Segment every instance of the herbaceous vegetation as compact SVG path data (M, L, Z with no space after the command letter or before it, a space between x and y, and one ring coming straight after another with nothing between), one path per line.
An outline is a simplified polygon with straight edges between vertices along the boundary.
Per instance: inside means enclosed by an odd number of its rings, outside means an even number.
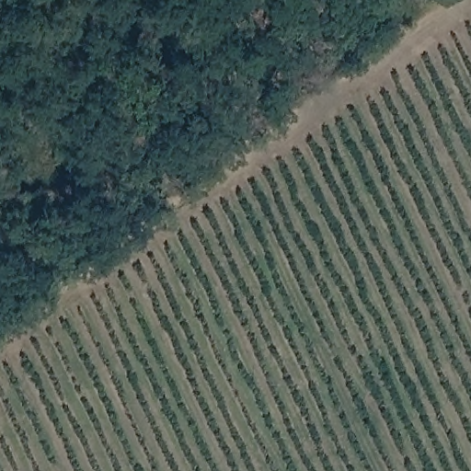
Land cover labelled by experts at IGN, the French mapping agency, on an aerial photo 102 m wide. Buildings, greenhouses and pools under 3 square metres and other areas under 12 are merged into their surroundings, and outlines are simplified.
M53 173L52 182L48 184L35 180L31 184L20 184L22 193L31 193L28 224L52 219L53 210L57 210L61 219L68 217L68 208L75 202L75 191L72 191L72 186L75 180L68 177L68 171L63 166L59 166Z
M248 109L247 114L241 116L241 120L247 121L247 129L252 131L254 136L265 136L269 121L263 118L261 110Z
M333 50L331 42L324 42L320 37L305 44L305 50L313 57L322 57L327 55L327 50Z
M471 381L471 361L465 355L462 340L458 339L453 322L436 293L436 287L408 237L403 219L397 213L392 197L381 180L381 173L373 162L372 153L362 142L361 132L351 118L350 110L359 109L361 112L366 129L372 134L375 147L379 149L388 167L390 180L396 186L397 193L410 215L410 221L418 232L425 254L431 259L432 269L436 270L438 278L442 280L454 311L460 318L462 329L471 342L471 280L458 258L453 239L443 228L431 193L427 190L427 184L421 178L418 167L407 151L403 134L399 132L392 114L386 109L383 96L388 92L390 98L396 96L397 88L403 86L403 90L412 99L419 118L425 125L425 131L429 134L438 162L449 178L453 193L464 212L465 223L471 228L471 0L421 0L418 6L423 15L410 28L405 29L396 46L390 48L390 52L385 53L381 61L370 64L366 72L344 77L337 68L329 72L320 72L313 66L309 72L311 79L305 79L300 90L304 103L300 107L294 107L296 121L287 123L287 134L281 136L281 140L269 140L267 144L259 145L256 151L247 153L245 166L235 171L224 169L224 180L213 186L208 197L201 197L188 204L184 197L180 197L186 191L184 184L178 178L162 178L162 191L156 193L153 199L173 206L182 230L178 230L178 234L156 232L140 252L132 252L127 261L116 263L107 276L92 283L66 281L66 285L59 289L57 309L52 315L40 320L37 326L31 327L20 337L15 337L13 342L4 344L4 348L0 350L0 471L33 471L31 460L26 458L20 436L4 407L4 399L7 399L7 392L11 390L9 379L4 372L4 368L9 364L20 381L24 396L28 399L29 405L37 410L37 416L44 427L44 431L37 434L31 419L26 414L17 414L18 423L28 436L29 451L39 464L40 471L74 471L64 451L63 440L59 438L44 403L40 401L37 386L20 364L26 357L35 364L46 388L46 396L50 397L55 405L57 418L63 423L64 432L74 447L83 471L94 471L86 458L83 443L77 438L72 423L66 418L63 405L70 407L72 416L81 425L90 451L94 453L101 471L114 471L109 454L99 442L94 423L88 418L81 403L81 397L86 397L90 407L94 408L103 434L114 454L118 456L121 471L134 471L132 465L129 465L127 454L123 451L123 445L112 431L107 408L99 399L98 390L94 388L92 379L88 377L83 359L79 357L74 342L63 329L66 320L72 322L75 331L83 340L86 353L96 366L99 379L112 399L114 410L118 412L121 427L131 442L132 453L138 458L144 471L151 471L151 464L144 454L142 445L134 436L127 414L132 414L136 419L136 425L144 434L147 447L155 456L160 471L171 471L127 379L127 372L110 340L107 327L103 324L96 305L92 304L92 298L96 296L109 316L112 329L120 340L121 350L127 353L127 359L131 362L132 372L138 377L145 401L151 408L156 425L166 440L167 449L173 454L180 471L191 471L190 462L178 447L175 432L171 429L166 416L162 414L160 401L153 394L153 386L144 372L144 366L136 361L127 337L121 331L116 316L118 305L121 305L121 311L132 335L142 331L132 311L129 302L131 298L136 298L142 304L153 337L167 361L167 368L177 381L182 401L197 421L202 438L208 443L208 449L219 471L232 471L230 465L226 464L223 451L195 399L186 372L175 355L173 342L156 316L151 298L147 294L147 287L138 278L136 270L132 269L134 261L142 263L151 289L158 296L164 315L169 318L169 324L178 335L182 351L188 357L191 370L199 383L199 390L223 432L224 442L234 454L239 471L248 471L234 438L230 436L230 431L226 427L223 414L217 407L212 390L202 375L195 351L191 350L186 333L178 324L175 313L167 302L166 293L156 278L155 269L149 261L153 256L162 265L167 283L180 305L180 313L190 324L193 339L206 359L208 372L212 373L215 385L223 394L235 431L247 445L250 462L256 471L287 471L287 465L281 460L278 443L274 442L274 438L265 429L263 414L267 412L270 412L272 423L276 431L280 432L281 440L293 456L298 471L307 471L283 425L280 408L270 394L267 379L261 372L247 331L235 315L232 302L228 300L228 294L213 269L212 261L204 252L199 235L191 228L191 224L197 223L201 224L204 234L208 235L213 254L219 259L224 274L232 285L232 291L247 316L248 324L252 326L252 333L256 335L261 353L270 366L272 383L278 388L289 412L291 427L298 434L304 451L315 465L316 471L324 471L320 458L316 456L315 443L307 431L305 418L300 414L300 407L294 403L293 396L281 377L280 366L270 355L267 340L263 339L259 331L258 322L252 309L248 307L247 298L241 293L230 265L224 258L223 250L219 247L215 232L208 219L204 217L204 213L210 212L213 212L221 226L221 232L234 256L237 269L241 272L243 280L247 281L250 293L254 294L254 302L258 304L259 313L263 316L263 324L269 329L272 344L280 353L294 385L304 396L311 421L315 423L316 432L322 442L322 451L327 454L329 464L333 465L335 471L348 471L344 462L337 456L337 449L333 447L331 438L324 431L315 397L309 390L307 379L294 357L289 340L285 339L283 327L280 326L280 322L274 320L269 302L261 293L258 276L235 241L232 221L221 208L223 202L228 201L228 204L232 204L237 201L237 193L252 190L250 182L256 182L256 178L269 171L278 184L281 201L289 212L294 230L302 237L305 247L313 256L318 274L327 283L327 289L339 309L342 324L348 329L351 344L357 351L361 351L362 361L366 362L368 370L372 372L373 381L383 394L385 408L390 410L396 429L403 438L405 449L397 451L386 419L377 407L377 401L373 399L370 388L362 379L357 359L350 355L342 361L344 368L351 375L353 386L364 399L364 405L370 412L370 419L381 434L386 453L392 458L396 471L423 471L414 443L397 414L396 405L390 397L377 364L368 353L361 329L350 315L344 296L329 276L313 237L307 232L300 213L294 208L287 184L280 173L281 169L287 167L296 182L300 201L304 202L309 217L318 224L331 261L335 269L339 270L344 283L348 285L351 298L372 333L375 350L385 357L405 412L418 432L419 440L423 443L436 471L443 471L438 454L419 421L418 412L412 407L410 396L399 379L394 359L381 339L381 333L375 326L372 315L362 304L350 265L342 256L335 235L329 230L324 215L320 213L318 204L307 188L302 169L294 162L294 156L300 153L311 167L313 177L322 190L329 210L339 221L344 239L353 256L357 258L368 296L385 320L388 333L399 353L399 359L418 390L419 401L425 407L432 429L442 443L447 462L453 471L460 471L454 460L447 434L436 419L431 401L414 370L414 364L408 359L407 351L401 344L401 337L407 337L412 342L419 362L431 381L432 390L442 405L443 416L456 434L458 449L471 469L471 443L467 442L462 421L438 381L434 364L427 355L425 342L421 340L416 322L408 313L407 305L403 304L403 298L397 293L390 272L386 270L368 230L364 228L355 204L351 202L346 184L342 182L339 169L331 158L326 138L333 134L337 151L346 166L346 171L350 173L355 191L368 212L370 221L377 228L379 241L383 243L388 258L392 259L397 276L407 287L412 302L421 311L421 316L431 333L434 350L442 364L443 373L453 386L454 392L460 397L465 416L471 421L471 399L465 392L460 375L454 372L451 366L449 353L443 346L440 331L431 318L429 307L416 291L416 283L410 278L410 272L403 265L403 259L399 258L396 247L392 245L385 219L375 206L372 195L364 188L361 173L353 156L346 149L346 145L342 144L337 121L346 123L351 140L361 151L373 184L385 201L386 210L396 224L397 234L401 237L412 263L416 265L425 289L431 294L434 307L453 342L456 357L462 362ZM401 162L405 164L410 177L414 178L418 190L421 191L432 224L442 239L449 259L458 270L460 285L454 283L451 272L443 265L442 256L425 226L425 221L419 215L418 206L408 190L407 182L399 175L385 140L379 132L377 121L370 112L370 103L377 103L386 129L390 132L397 153L401 156ZM394 320L386 311L385 302L379 294L372 272L368 269L368 263L362 256L361 248L357 247L351 235L348 221L340 212L337 199L333 191L329 190L326 178L322 175L320 164L311 147L307 145L311 140L315 140L316 144L322 147L327 167L339 186L351 217L359 228L359 234L362 235L366 248L370 250L373 261L381 270L381 276L394 302L397 315L401 316L407 329L407 333L401 337L397 333ZM188 237L202 270L212 281L213 291L217 294L224 316L223 326L215 324L208 294L197 278L195 269L191 267L190 258L180 245L180 239L184 237ZM237 340L239 359L245 364L248 372L254 375L261 396L267 403L267 408L261 412L256 405L254 394L245 385L230 359L223 335L226 327L230 327L234 339ZM37 342L61 383L63 397L57 396L52 379L33 348L33 344ZM101 342L109 353L110 362L114 364L114 370L120 377L125 396L118 396L109 370L99 357L96 342Z
M22 243L13 245L7 239L6 243L0 243L0 254L18 254L24 259L28 258L29 252Z
M75 46L75 50L68 53L70 74L79 74L88 66L88 52Z
M368 432L359 443L370 460L370 465L377 471L388 471Z

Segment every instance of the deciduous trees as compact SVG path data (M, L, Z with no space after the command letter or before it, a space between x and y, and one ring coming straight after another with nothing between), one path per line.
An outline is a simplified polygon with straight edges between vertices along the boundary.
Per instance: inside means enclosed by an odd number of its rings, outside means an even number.
M436 293L453 322L458 339L462 340L465 355L471 361L471 342L462 329L460 318L454 311L442 280L438 278L436 270L432 269L431 259L425 254L418 232L410 221L410 215L397 193L396 186L390 180L388 167L379 149L375 147L372 134L366 129L361 112L359 109L350 110L351 118L361 132L362 142L372 153L373 162L381 173L381 180L392 197L397 213L403 219L408 237L436 287Z
M252 326L248 324L247 316L232 291L232 285L224 274L219 259L213 254L208 235L204 234L201 224L197 223L191 224L191 228L199 235L204 252L212 261L213 269L228 294L228 300L232 302L235 315L247 331L261 372L267 379L270 394L280 408L283 425L307 471L316 471L315 465L304 451L298 434L291 427L289 412L278 388L272 383L270 366L261 353L256 335L252 333Z
M302 169L307 188L318 204L320 213L324 215L329 230L335 235L342 256L350 265L362 304L372 315L375 326L381 333L381 339L394 359L399 379L410 396L412 407L418 412L419 421L438 454L443 471L453 471L447 462L442 443L432 429L425 407L419 401L418 390L399 359L399 353L388 333L385 320L368 296L357 258L353 256L344 239L339 221L329 210L322 190L313 177L311 167L300 153L294 156L294 162Z
M335 269L331 261L318 224L309 217L304 202L300 201L296 182L287 167L281 169L280 173L287 184L294 208L300 213L307 232L313 237L329 276L344 296L350 315L361 329L368 353L377 364L390 397L396 405L397 414L414 443L423 471L436 471L423 443L419 440L418 432L405 412L385 357L375 350L372 333L351 298L348 285L344 283L339 270Z
M57 396L63 397L61 383L37 342L33 344L33 348L52 379Z
M429 134L425 131L425 125L419 118L412 99L403 90L403 86L397 88L396 96L390 98L388 92L383 96L386 109L392 114L399 132L403 134L407 151L418 167L421 178L427 184L427 190L431 193L443 228L453 239L458 258L471 280L471 228L465 223L464 212L453 193L449 178L438 162Z
M281 440L280 432L276 431L272 423L270 412L267 412L263 414L265 429L274 438L274 442L278 443L281 460L287 465L287 471L298 471L293 456Z
M136 270L138 278L147 287L147 294L151 298L156 316L173 342L175 355L186 372L195 399L223 451L226 464L230 465L232 471L239 471L234 454L224 442L223 432L199 390L199 383L191 370L188 357L182 351L178 335L169 324L169 318L164 315L158 296L151 289L142 263L134 261L132 269Z
M392 245L396 247L399 258L403 259L403 265L410 272L410 278L416 283L416 291L429 307L431 318L440 331L443 346L449 353L451 366L454 372L460 375L465 392L471 399L471 381L462 362L456 357L453 342L434 307L431 294L425 289L416 265L412 263L401 237L397 234L396 224L386 210L385 201L373 184L361 151L351 140L346 123L337 121L342 144L346 145L346 149L353 156L361 173L364 188L372 195L375 206L385 219Z
M66 285L66 281L92 283L107 276L116 263L127 261L132 252L140 252L156 232L178 234L178 230L182 230L173 206L153 199L156 193L162 191L162 178L178 178L184 184L186 191L180 197L184 197L188 204L201 197L208 197L213 186L224 180L224 169L235 171L245 166L247 153L256 151L259 145L267 144L269 140L281 140L281 136L287 134L287 123L296 121L294 107L300 107L304 103L300 90L305 79L311 79L309 72L313 66L320 72L329 72L337 68L344 77L366 72L370 64L381 61L385 53L390 52L390 48L396 46L405 29L410 28L423 15L418 6L421 0L0 0L0 243L6 243L7 239L13 245L22 243L29 252L28 258L24 259L18 254L0 254L0 350L4 348L4 344L13 342L15 337L20 337L31 327L37 326L40 320L52 315L57 309L59 289ZM320 37L324 42L331 42L333 50L327 50L327 55L322 57L313 57L305 50L305 44ZM88 66L79 74L70 74L68 53L75 50L75 46L88 52ZM248 109L261 110L263 118L269 121L265 136L254 136L252 131L247 129L247 121L241 120L241 116L247 114ZM22 193L20 184L31 184L35 180L48 184L52 182L53 173L59 166L63 166L68 171L68 177L75 180L72 186L72 191L75 191L75 202L68 208L68 217L61 219L57 210L53 210L52 219L28 224L31 193Z
M167 449L166 440L156 425L151 408L145 401L138 377L132 372L131 362L127 359L127 353L121 350L120 340L112 329L109 316L96 296L92 298L92 304L96 305L103 324L107 327L110 340L127 372L127 379L171 471L180 471L173 454Z
M114 471L121 471L118 456L114 454L103 434L94 408L90 407L86 397L81 397L81 403L88 418L94 423L99 442L109 454Z
M261 412L267 408L267 403L261 396L254 375L248 372L245 364L239 359L237 340L234 339L230 327L226 327L223 335L230 359L245 385L254 394L256 405Z
M83 443L86 458L94 471L101 471L94 453L90 451L81 425L72 416L70 407L63 405L66 418L72 423L77 438Z
M385 302L386 311L394 320L397 333L401 337L407 333L407 329L401 316L397 315L394 302L381 276L381 270L373 261L370 250L366 248L362 235L359 234L359 228L351 217L339 186L327 167L322 147L316 144L315 140L311 140L307 145L311 147L320 164L322 175L326 178L329 190L333 191L337 199L340 212L348 221L351 235L357 247L361 248L362 256L368 263L368 269L372 272L379 294Z
M44 403L59 438L63 440L64 451L74 471L83 471L74 447L64 432L63 423L57 418L55 405L50 397L46 396L46 388L35 364L26 357L20 364L37 386L40 401Z
M226 427L230 431L230 436L234 438L248 471L256 471L250 462L247 445L235 431L223 394L215 385L212 373L208 372L206 359L193 339L190 324L180 313L180 305L167 283L162 265L153 256L149 261L155 269L156 278L166 293L167 302L175 313L178 324L186 333L191 350L195 351L202 375L212 390L217 407L223 414Z
M151 464L151 471L160 471L155 456L147 447L144 434L136 425L136 419L132 414L127 414L134 436L142 445L144 454Z
M307 431L315 443L316 456L320 458L324 471L335 471L333 465L329 464L327 454L322 451L322 442L316 432L315 423L311 421L304 396L294 385L280 353L272 344L269 329L263 324L263 316L259 313L258 304L254 302L254 294L250 293L247 281L243 280L241 272L237 269L234 256L221 232L221 226L213 212L210 212L204 213L204 217L208 219L215 232L219 247L223 250L224 258L230 265L241 293L247 298L248 307L252 309L258 322L259 331L263 339L267 340L270 355L280 366L281 377L293 396L294 403L300 407L300 414L305 418Z
M178 447L190 462L191 471L219 471L208 449L208 443L202 438L197 421L182 401L177 381L167 368L167 361L153 337L142 304L136 298L131 298L129 302L132 311L142 331L132 335L121 311L121 305L118 305L116 316L121 331L127 337L136 361L144 366L144 372L153 386L153 394L160 401L162 414L166 416L171 429L175 432Z
M449 259L442 239L432 224L421 191L418 190L414 178L410 177L405 164L401 162L401 156L397 153L390 132L386 129L377 103L370 103L370 112L377 121L379 132L385 140L399 175L407 182L408 190L418 206L419 215L425 221L425 226L442 256L443 265L451 272L454 283L460 285L458 270Z
M326 138L331 158L339 169L342 182L346 184L351 202L355 204L364 228L368 230L386 270L390 272L397 293L403 298L403 304L407 305L408 313L416 322L421 340L425 342L427 355L434 364L438 381L462 421L467 442L471 443L471 421L465 416L460 397L454 392L453 386L443 373L442 364L434 350L431 333L421 316L421 311L412 302L407 287L397 276L392 259L388 258L383 243L379 241L377 228L370 221L368 212L355 191L350 173L346 171L346 166L337 151L333 134Z
M114 410L112 399L99 379L96 366L86 353L83 340L75 331L72 322L66 320L63 329L74 342L79 357L83 359L88 377L92 379L94 388L98 390L99 399L107 408L112 431L123 445L123 451L127 454L129 465L132 465L134 471L144 471L138 458L132 453L131 442L121 427L118 412Z
M401 344L407 351L408 359L414 364L414 370L431 401L436 419L447 434L454 460L460 471L471 471L471 469L458 449L456 434L443 416L442 405L432 390L431 381L419 362L412 342L407 337L401 337Z
M101 342L96 342L99 357L109 370L118 396L125 396L120 377L114 370L114 364L110 362L109 353Z
M217 294L213 291L212 281L202 270L188 237L184 237L180 239L180 245L190 258L191 267L195 269L197 278L208 294L215 324L223 326L224 316Z
M361 351L357 351L351 344L348 329L342 324L339 309L327 289L327 283L318 274L313 256L305 247L302 237L294 230L289 212L281 201L278 184L269 171L256 178L256 182L250 182L252 190L237 193L237 201L232 204L228 204L228 201L223 202L221 208L232 221L235 241L258 276L261 293L269 302L274 320L280 322L280 326L283 327L285 339L289 340L294 357L307 379L309 390L315 397L324 431L331 438L333 447L337 449L337 456L344 462L348 471L377 471L370 465L370 460L359 443L368 432L388 471L396 471L392 458L386 453L381 434L370 419L370 412L364 405L364 399L353 386L351 375L344 368L342 361L350 355L357 359L362 379L370 388L373 399L377 401L377 407L386 419L397 451L405 449L403 438L396 429L390 410L385 408L383 394L373 381L372 372L368 370L366 362L362 361Z
M7 399L4 399L4 407L20 436L26 458L31 460L33 471L40 471L39 464L29 451L28 436L18 423L17 414L26 414L31 419L37 434L44 431L44 427L37 416L37 410L29 405L28 399L24 396L20 381L9 364L4 368L4 372L9 379L11 390L7 392Z

